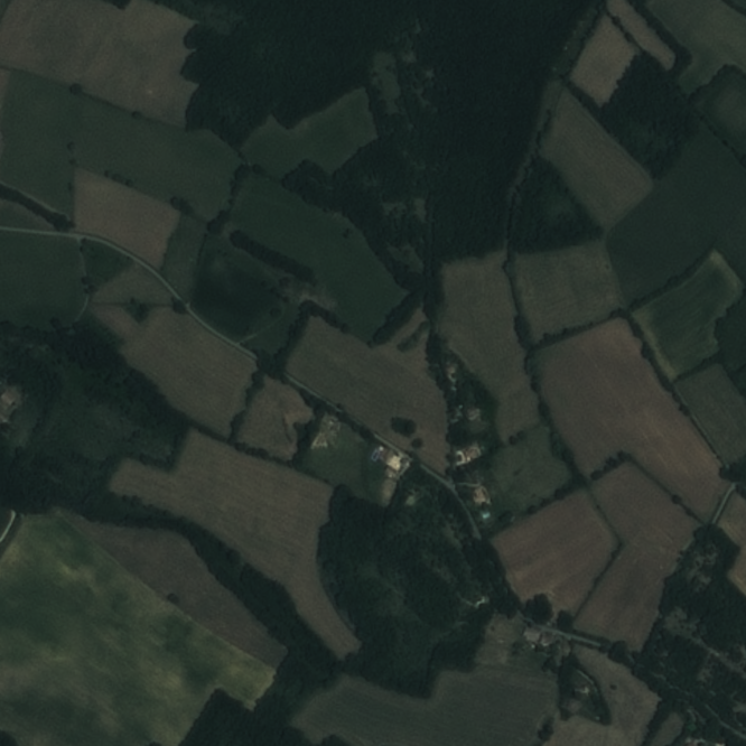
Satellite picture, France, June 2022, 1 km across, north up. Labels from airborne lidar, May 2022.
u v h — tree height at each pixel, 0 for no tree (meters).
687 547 0
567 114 0
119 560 0
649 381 0
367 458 0
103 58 0
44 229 0
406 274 16
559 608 0
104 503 0
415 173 11
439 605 10
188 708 0
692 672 9
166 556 0
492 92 16
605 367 0
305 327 11
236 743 7
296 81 10
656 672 12
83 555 0
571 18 16
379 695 0
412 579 11
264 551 0
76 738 0
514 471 0
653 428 0
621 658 16
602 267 0
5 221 0
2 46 0
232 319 0
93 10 0
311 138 0
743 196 0
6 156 0
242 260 0
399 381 0
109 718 0
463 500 9
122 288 0
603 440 0
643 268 0
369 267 0
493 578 13
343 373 0
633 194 0
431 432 0
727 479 11
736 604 13
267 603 11
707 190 0
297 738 16
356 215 14
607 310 0
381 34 11
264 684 0
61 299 0
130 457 8
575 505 0
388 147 14
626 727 0
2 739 16
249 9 8
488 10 16
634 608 0
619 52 0
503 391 0
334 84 13
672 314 0
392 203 8
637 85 17
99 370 16
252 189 0
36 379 6
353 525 15
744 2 0
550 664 13
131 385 16
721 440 0
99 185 0
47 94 0
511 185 17
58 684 0
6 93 0
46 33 0
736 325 0
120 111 0
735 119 0
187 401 0
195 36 14
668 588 12
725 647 10
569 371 0
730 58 0
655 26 19
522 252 12
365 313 0
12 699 0
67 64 0
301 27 15
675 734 0
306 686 12
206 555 13
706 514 0
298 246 0
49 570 0
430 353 15
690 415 9
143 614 0
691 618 13
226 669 0
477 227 12
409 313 16
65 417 0
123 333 0
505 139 11
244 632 0
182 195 0
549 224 8
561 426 0
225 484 0
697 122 15
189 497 0
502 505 0
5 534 0
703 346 0
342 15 18
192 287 0
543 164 20
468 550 12
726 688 8
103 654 0
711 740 20
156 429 12
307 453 7
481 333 0
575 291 0
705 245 0
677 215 0
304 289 0
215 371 0
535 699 0
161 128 0
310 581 0
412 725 0
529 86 15
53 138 0
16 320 0
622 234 0
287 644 14
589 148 0
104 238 0
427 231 11
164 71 0
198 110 16
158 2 10
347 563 12
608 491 0
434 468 0
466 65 12
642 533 0
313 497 0
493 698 0
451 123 14
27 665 0
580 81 0
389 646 12
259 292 0
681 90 17
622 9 0
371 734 0
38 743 0
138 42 0
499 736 0
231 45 14
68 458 9
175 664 0
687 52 14
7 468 9
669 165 15
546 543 0
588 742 0
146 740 0
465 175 12
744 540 0
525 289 0
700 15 0
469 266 0
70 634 0
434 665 15
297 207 0
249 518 0
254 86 15
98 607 0
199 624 0
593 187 0
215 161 0
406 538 9
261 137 0
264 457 16
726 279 0
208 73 13
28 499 14
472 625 9
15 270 0
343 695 0
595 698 8
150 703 0
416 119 12
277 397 0
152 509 10
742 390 6
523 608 11
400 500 9
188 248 0
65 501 15
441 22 15
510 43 17
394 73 9
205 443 0
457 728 0
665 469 0
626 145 15
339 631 0
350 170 13
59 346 20
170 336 0
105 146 0
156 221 0
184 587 0
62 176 0
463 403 6
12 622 0
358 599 12
